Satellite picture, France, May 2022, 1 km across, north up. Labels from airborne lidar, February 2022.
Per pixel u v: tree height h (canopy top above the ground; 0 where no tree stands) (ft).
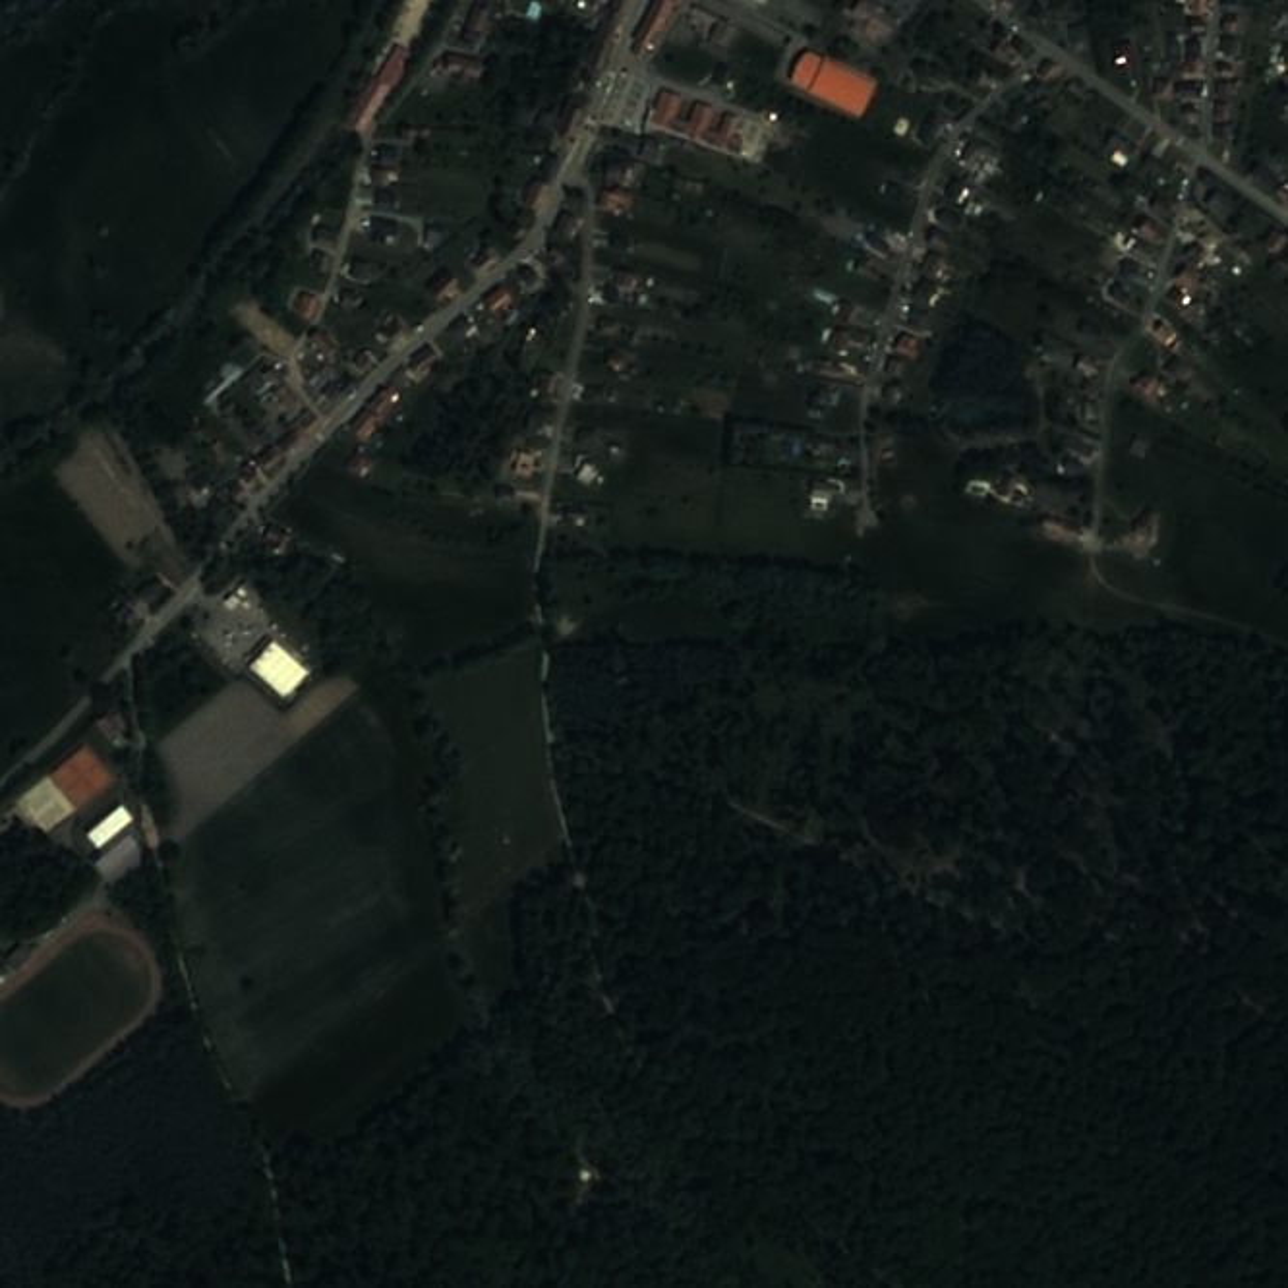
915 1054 73
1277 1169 92
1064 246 0
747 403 0
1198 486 0
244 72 0
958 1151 91
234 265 48
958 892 102
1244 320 30
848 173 0
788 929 48
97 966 0
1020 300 0
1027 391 57
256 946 0
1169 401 0
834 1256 84
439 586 0
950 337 0
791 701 92
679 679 55
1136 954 90
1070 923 94
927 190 0
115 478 0
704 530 0
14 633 0
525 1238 30
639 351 0
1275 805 102
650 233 0
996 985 94
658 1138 97
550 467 0
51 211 0
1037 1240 79
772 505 0
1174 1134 85
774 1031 96
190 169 0
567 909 61
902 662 84
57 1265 71
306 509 0
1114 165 0
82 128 0
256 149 0
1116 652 79
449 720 0
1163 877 93
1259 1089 90
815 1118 83
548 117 0
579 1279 86
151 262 0
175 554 0
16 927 53
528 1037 66
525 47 23
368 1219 89
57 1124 43
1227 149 0
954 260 0
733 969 97
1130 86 0
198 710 0
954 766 112
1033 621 0
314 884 0
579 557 47
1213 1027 92
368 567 0
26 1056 0
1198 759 79
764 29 0
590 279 0
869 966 88
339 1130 0
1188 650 65
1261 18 29
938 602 0
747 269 0
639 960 76
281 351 0
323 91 34
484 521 0
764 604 48
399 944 0
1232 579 0
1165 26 0
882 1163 76
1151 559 0
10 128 0
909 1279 90
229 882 0
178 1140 58
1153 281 0
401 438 0
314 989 0
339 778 0
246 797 0
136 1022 0
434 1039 0
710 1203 86
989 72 25
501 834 0
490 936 0
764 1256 0
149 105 0
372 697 0
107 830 0
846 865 91
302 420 0
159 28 0
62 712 0
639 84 0
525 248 0
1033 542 0
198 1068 59
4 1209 63
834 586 58
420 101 0
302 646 0
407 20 0
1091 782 102
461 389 26
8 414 0
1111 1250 75
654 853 80
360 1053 0
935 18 26
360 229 0
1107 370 0
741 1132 85
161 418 43
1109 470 0
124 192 0
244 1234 66
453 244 0
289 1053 0
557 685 27
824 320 0
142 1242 86
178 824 0
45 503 0
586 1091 79
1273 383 0
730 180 0
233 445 0
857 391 0
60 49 0
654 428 0
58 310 0
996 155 0
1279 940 91
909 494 0
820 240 0
